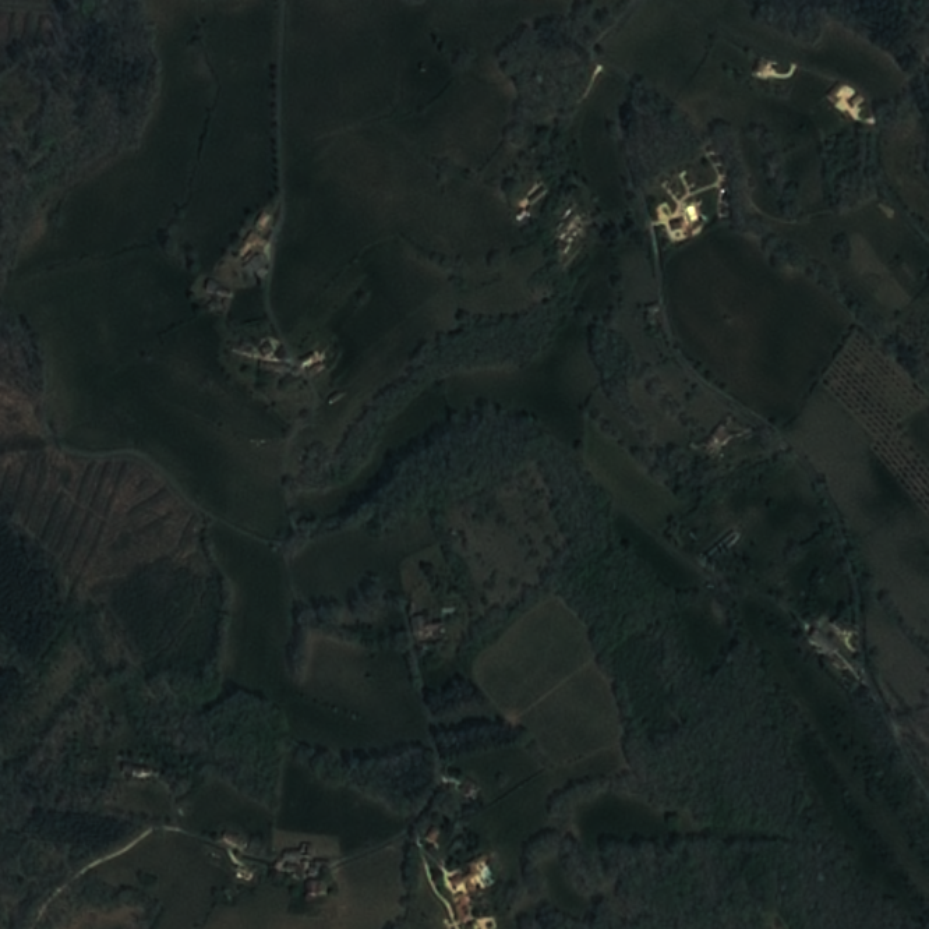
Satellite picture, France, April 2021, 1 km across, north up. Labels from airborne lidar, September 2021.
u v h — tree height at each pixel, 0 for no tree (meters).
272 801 15
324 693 0
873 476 0
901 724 20
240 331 12
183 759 8
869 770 6
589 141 0
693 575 0
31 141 9
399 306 0
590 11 19
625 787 20
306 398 0
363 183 0
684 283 0
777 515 0
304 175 0
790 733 20
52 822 10
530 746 13
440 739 19
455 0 0
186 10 0
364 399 0
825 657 9
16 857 10
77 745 7
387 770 21
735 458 0
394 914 0
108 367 0
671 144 20
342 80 0
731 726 26
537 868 16
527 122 16
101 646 9
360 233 0
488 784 0
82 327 0
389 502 21
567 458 17
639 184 20
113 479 0
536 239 6
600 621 17
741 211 19
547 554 0
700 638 0
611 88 0
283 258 0
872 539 0
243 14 0
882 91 0
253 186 0
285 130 0
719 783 17
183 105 0
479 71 0
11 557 19
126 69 16
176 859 0
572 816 19
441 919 0
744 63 0
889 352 14
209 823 0
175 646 7
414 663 13
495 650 0
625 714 18
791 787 22
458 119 0
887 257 0
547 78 22
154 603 5
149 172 0
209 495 0
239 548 0
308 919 0
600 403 0
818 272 15
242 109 0
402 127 0
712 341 0
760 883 23
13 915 11
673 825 13
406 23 0
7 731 9
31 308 0
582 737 0
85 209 0
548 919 23
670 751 20
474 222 0
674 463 20
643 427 17
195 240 0
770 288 0
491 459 19
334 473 21
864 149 11
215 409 0
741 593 17
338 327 0
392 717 0
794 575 0
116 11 20
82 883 14
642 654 6
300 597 0
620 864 21
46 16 0
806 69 0
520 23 0
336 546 0
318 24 0
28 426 0
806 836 26
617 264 6
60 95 20
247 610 0
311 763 19
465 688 20
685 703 17
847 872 16
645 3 0
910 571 0
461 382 0
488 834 0
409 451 0
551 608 0
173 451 0
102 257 0
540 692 0
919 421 0
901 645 0
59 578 11
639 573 19
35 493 0
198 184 0
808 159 0
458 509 6
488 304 0
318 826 0
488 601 12
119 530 0
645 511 0
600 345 20
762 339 0
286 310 0
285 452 0
